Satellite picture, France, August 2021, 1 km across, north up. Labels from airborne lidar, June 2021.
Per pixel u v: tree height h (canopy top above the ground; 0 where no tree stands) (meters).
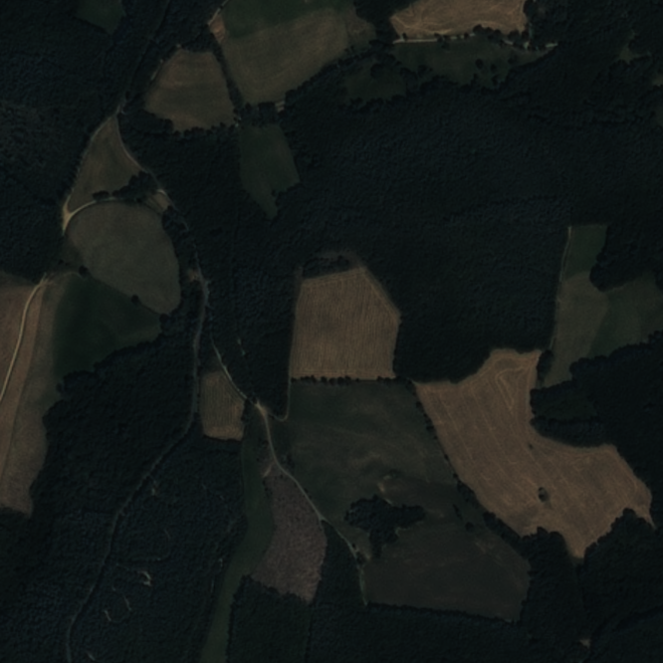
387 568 0
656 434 27
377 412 0
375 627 20
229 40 0
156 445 11
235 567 0
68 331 0
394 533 13
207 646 0
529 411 0
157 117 8
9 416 0
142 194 14
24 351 0
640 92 20
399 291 9
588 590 13
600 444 13
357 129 17
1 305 0
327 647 13
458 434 0
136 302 15
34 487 7
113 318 0
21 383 0
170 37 10
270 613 17
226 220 20
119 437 20
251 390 12
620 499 0
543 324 13
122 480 10
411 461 0
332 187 8
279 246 7
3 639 17
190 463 16
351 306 0
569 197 16
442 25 0
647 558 7
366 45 0
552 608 11
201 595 13
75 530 15
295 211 9
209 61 0
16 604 20
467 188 11
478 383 0
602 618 17
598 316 0
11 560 23
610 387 24
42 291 0
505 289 9
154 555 15
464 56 0
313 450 0
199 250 15
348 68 16
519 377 0
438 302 13
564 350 0
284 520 0
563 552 15
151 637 11
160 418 12
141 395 15
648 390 28
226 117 0
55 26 12
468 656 21
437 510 0
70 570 16
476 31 12
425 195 11
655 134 20
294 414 0
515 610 0
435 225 7
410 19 0
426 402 0
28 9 13
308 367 0
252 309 17
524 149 9
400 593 0
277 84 0
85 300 0
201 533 14
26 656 14
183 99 0
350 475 0
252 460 0
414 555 0
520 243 7
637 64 19
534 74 20
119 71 21
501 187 10
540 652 18
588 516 0
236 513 10
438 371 17
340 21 0
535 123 17
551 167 11
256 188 0
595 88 22
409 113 15
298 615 17
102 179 0
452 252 8
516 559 0
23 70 10
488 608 0
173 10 9
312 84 13
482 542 0
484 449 0
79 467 17
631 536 19
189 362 19
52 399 0
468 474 0
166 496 12
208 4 7
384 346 0
